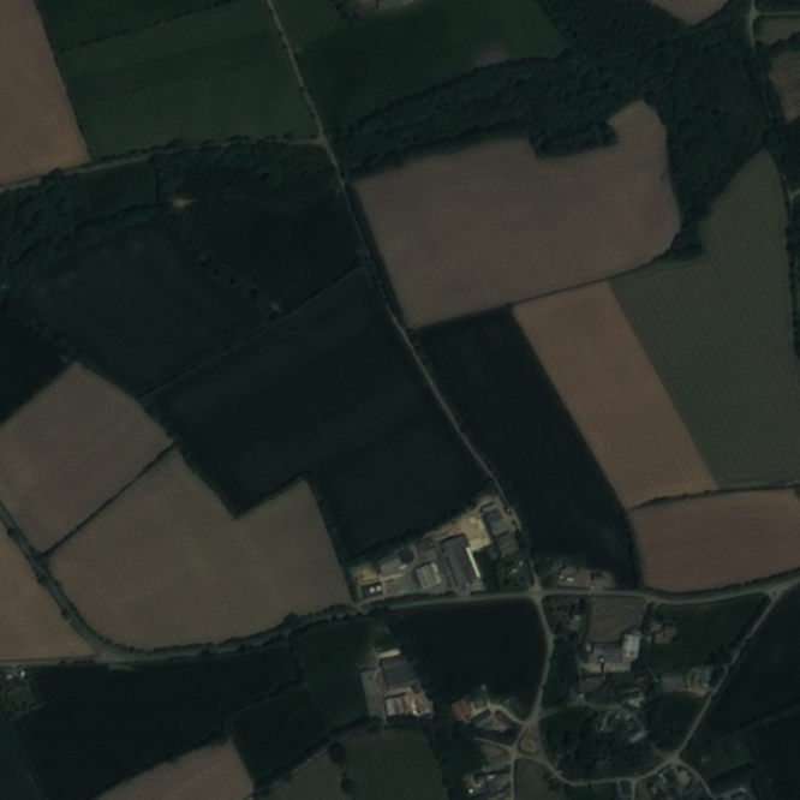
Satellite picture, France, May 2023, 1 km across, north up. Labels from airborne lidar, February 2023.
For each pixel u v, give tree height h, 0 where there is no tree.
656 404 0
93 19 0
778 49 13
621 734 0
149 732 0
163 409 0
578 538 0
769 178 0
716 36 9
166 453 6
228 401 0
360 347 0
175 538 0
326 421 0
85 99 0
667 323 0
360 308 0
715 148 9
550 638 0
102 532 0
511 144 0
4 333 0
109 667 0
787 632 0
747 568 0
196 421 0
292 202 0
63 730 0
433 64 0
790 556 0
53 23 0
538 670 0
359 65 0
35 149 0
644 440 0
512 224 0
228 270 0
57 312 0
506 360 0
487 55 0
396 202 0
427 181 0
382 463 0
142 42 0
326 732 0
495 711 0
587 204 0
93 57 0
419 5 0
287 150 11
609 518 0
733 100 0
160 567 0
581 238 0
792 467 0
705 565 0
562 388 0
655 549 0
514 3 0
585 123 5
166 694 0
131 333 0
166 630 0
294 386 0
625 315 0
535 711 0
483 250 0
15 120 0
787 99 0
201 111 0
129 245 0
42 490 0
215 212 0
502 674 0
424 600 6
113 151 0
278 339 0
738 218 0
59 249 14
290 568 0
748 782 11
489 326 0
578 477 0
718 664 16
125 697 0
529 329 0
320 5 0
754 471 0
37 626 0
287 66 0
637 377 0
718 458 0
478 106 17
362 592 0
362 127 16
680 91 15
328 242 0
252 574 0
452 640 0
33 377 0
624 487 0
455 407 0
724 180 0
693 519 0
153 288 0
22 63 0
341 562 11
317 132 0
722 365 0
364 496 0
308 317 0
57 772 0
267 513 0
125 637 0
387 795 0
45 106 0
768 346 0
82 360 12
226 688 0
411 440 0
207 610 0
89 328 0
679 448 0
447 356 0
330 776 0
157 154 11
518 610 0
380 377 0
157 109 0
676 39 10
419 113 20
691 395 0
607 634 0
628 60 9
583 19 17
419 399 0
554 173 0
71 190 7
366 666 0
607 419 0
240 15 0
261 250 0
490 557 0
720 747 0
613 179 0
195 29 0
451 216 0
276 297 0
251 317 0
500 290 0
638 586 7
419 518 0
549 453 0
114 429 0
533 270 0
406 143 7
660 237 0
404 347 0
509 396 0
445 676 0
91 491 0
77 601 0
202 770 0
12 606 0
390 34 0
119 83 0
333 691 0
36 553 11
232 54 0
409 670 0
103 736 0
